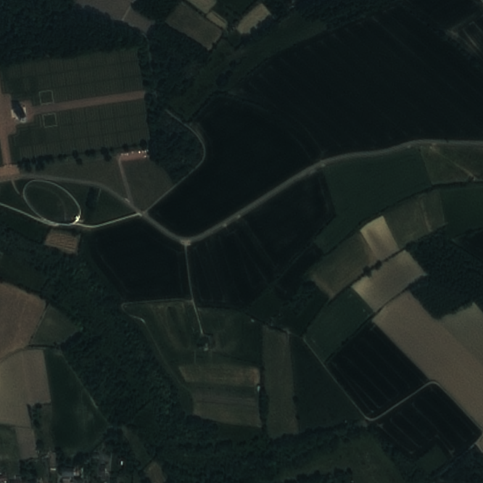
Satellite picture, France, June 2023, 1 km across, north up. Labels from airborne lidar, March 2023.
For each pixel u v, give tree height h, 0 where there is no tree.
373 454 0
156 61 10
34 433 0
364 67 0
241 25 0
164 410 10
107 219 0
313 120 0
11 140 0
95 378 16
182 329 0
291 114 0
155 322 0
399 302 0
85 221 0
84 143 0
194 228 0
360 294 0
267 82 0
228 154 0
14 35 27
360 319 0
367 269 12
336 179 0
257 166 0
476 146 0
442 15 0
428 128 0
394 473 0
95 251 0
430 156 0
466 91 0
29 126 0
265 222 0
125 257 0
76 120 0
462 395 0
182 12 0
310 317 0
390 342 0
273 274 0
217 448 13
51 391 0
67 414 0
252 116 0
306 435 15
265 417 14
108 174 0
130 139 0
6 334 0
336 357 0
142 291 0
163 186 0
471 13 0
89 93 0
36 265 7
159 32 18
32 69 0
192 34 0
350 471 13
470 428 0
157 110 6
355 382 0
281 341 0
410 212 0
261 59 0
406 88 0
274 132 0
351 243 0
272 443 18
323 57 0
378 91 0
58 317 0
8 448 0
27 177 0
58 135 0
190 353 0
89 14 29
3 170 0
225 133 0
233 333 0
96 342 13
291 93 0
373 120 0
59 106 0
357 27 0
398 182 0
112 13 0
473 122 0
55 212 0
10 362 0
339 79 0
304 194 0
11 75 0
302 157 0
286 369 0
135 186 0
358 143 0
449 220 0
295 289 0
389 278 0
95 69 0
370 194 0
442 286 17
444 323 0
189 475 13
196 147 8
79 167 0
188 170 6
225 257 0
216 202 0
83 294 6
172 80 17
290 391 0
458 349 0
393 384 0
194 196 0
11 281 0
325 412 0
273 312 0
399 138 0
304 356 0
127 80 0
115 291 0
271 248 0
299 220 0
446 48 0
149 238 0
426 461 0
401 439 0
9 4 28
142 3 14
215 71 0
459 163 0
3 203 0
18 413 0
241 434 0
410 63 0
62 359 0
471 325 0
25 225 0
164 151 14
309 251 0
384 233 0
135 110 0
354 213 0
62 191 0
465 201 0
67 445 0
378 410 0
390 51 0
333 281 0
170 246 0
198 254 0
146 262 0
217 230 0
